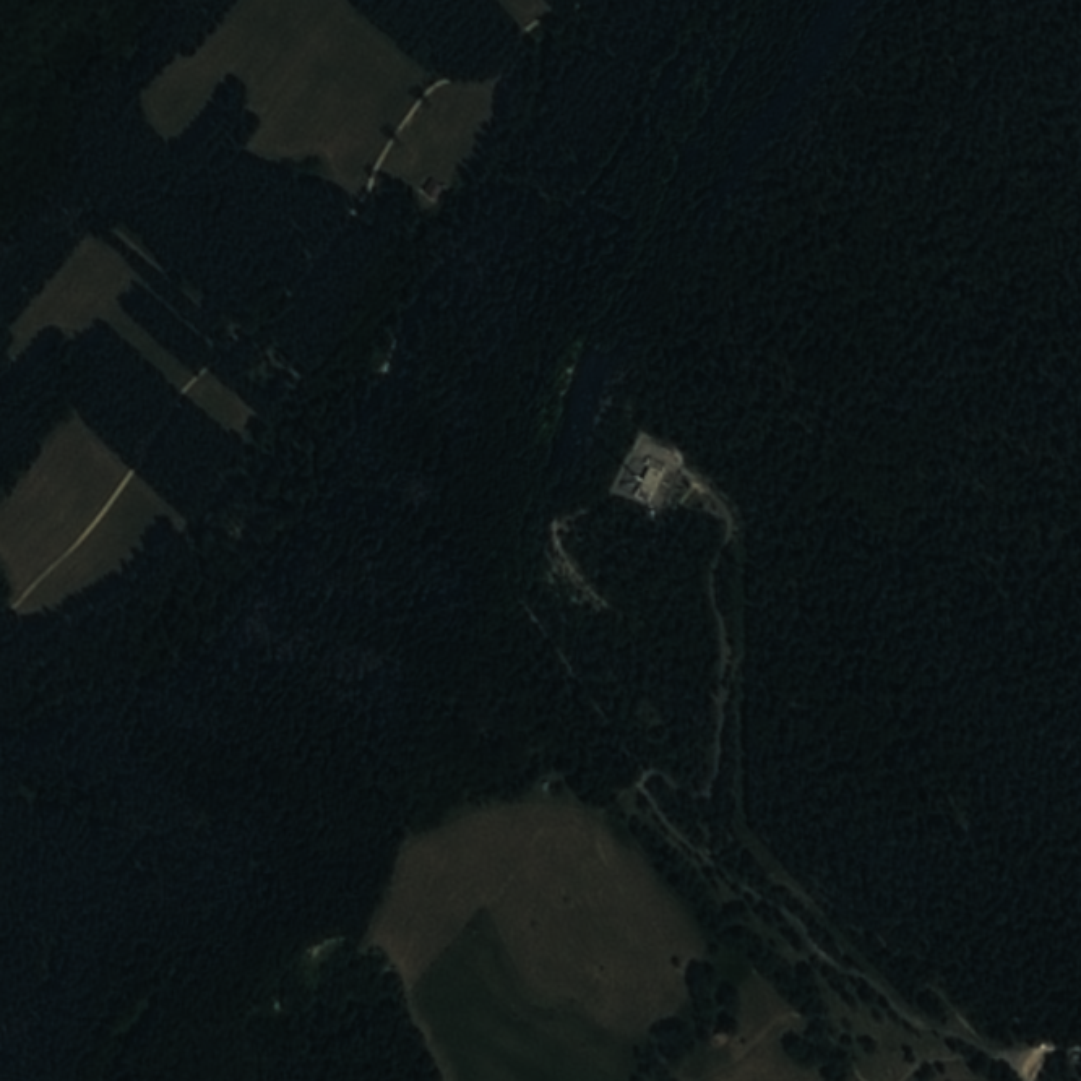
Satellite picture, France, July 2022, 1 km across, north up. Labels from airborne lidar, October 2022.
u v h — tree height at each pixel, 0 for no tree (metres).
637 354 12
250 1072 16
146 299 22
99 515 0
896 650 19
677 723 15
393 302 13
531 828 0
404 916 0
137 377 21
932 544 19
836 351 21
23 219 25
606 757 23
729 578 11
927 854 18
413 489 27
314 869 22
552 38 30
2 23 17
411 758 20
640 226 27
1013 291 17
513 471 26
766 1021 0
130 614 6
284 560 15
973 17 16
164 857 20
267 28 0
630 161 23
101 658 23
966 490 20
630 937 0
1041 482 20
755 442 19
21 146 28
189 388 0
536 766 12
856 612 19
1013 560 8
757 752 15
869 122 10
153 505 0
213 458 22
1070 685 16
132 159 25
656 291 25
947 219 26
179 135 0
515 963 0
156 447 21
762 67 28
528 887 0
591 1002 0
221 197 27
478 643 21
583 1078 0
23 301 0
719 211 10
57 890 30
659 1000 0
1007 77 24
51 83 26
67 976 27
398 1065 17
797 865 20
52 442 0
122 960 18
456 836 0
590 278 25
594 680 10
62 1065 19
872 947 11
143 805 26
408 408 27
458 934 0
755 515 18
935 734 20
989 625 15
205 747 19
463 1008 0
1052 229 24
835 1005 0
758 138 38
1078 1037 14
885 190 18
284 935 16
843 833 16
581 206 11
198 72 0
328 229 27
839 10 39
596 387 11
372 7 23
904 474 15
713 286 17
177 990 13
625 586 15
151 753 19
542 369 23
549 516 20
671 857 11
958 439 21
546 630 15
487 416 27
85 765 30
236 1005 15
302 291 19
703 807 10
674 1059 20
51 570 0
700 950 0
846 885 14
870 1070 0
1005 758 17
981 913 22
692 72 22
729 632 7
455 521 29
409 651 32
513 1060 0
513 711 17
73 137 25
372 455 27
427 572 28
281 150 0
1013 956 19
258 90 0
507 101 32
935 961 10
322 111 0
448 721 14
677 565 15
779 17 25
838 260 16
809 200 18
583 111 21
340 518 24
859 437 14
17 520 0
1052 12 21
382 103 0
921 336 23
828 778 21
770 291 17
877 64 15
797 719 19
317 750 23
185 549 20
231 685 28
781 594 24
